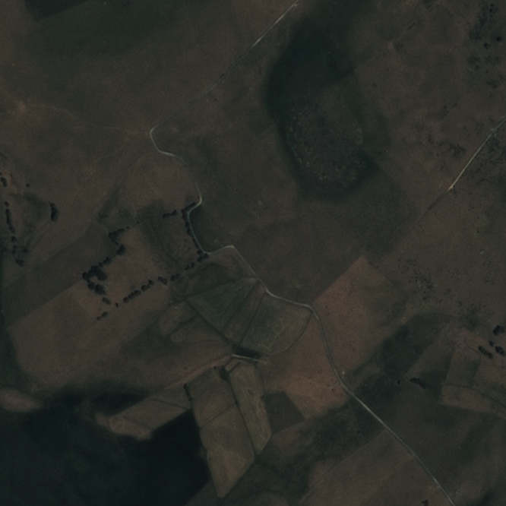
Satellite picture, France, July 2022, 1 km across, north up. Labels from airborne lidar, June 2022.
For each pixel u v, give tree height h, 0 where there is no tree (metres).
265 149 0
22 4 0
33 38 0
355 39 0
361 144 0
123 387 0
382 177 0
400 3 0
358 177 0
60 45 0
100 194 0
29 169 0
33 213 0
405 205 0
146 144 0
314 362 0
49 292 0
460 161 0
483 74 0
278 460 0
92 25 0
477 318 0
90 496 0
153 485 0
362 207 0
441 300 0
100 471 0
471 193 0
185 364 0
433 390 0
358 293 0
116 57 0
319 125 0
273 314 0
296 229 0
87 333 0
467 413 0
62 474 0
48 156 0
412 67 0
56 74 0
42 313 0
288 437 0
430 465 0
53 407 0
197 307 0
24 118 0
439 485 0
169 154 0
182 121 0
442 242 0
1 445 0
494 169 0
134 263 0
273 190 0
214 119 0
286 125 0
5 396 0
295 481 0
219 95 0
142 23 0
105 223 0
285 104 0
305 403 0
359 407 0
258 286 0
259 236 0
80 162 0
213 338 0
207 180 0
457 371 0
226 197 0
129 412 0
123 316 0
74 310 0
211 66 0
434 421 0
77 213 0
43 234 0
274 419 0
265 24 0
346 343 0
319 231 0
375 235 0
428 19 0
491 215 0
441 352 0
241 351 0
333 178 0
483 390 0
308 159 0
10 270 0
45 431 0
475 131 0
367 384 0
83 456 0
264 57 0
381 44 0
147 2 0
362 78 0
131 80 0
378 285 0
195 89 0
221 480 0
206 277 0
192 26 0
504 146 0
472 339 0
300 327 0
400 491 0
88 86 0
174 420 0
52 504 0
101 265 12
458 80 0
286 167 0
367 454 0
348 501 0
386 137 0
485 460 0
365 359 0
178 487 0
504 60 0
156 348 0
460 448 0
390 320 0
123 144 0
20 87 0
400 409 0
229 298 0
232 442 0
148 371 0
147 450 0
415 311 0
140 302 0
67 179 0
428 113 0
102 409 0
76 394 0
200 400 0
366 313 0
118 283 0
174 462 0
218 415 0
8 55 0
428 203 0
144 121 0
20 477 0
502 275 0
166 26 0
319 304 0
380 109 0
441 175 0
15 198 0
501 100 0
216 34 0
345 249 0
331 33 0
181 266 0
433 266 0
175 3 0
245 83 0
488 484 0
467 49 0
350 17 0
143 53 0
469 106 0
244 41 0
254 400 0
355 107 0
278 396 0
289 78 0
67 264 0
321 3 0
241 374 0
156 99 0
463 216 0
